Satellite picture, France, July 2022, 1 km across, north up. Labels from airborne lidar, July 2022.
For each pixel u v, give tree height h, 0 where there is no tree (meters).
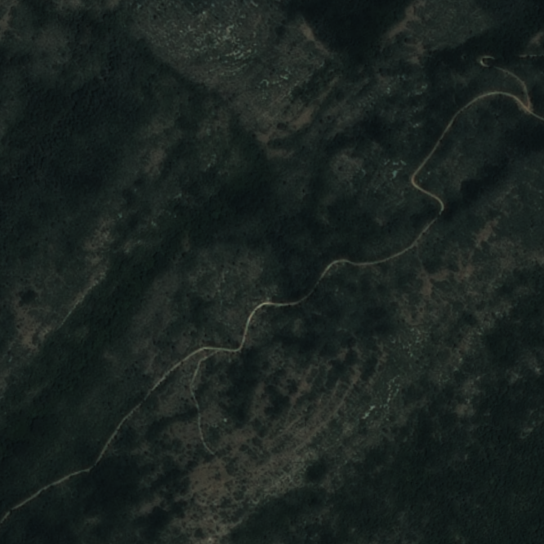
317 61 0
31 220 6
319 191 6
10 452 8
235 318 0
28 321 0
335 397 0
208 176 15
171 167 9
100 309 11
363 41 19
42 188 6
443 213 8
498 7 6
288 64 0
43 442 7
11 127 6
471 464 15
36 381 7
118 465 6
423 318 0
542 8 12
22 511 7
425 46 6
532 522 16
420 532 7
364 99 0
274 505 6
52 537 11
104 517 6
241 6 0
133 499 6
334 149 9
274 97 0
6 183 17
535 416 15
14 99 6
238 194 12
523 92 8
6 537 9
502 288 7
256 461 0
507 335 8
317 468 5
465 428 7
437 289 0
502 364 6
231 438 0
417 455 14
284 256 8
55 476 5
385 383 0
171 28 0
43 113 15
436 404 7
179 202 10
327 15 8
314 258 6
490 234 0
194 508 0
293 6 7
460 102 6
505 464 6
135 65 6
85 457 7
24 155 10
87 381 5
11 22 6
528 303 6
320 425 0
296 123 0
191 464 7
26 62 12
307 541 10
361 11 9
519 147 7
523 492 10
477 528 8
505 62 8
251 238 6
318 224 7
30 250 6
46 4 11
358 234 6
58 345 7
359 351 0
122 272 10
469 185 10
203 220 8
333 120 5
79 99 18
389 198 0
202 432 0
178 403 0
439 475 13
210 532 0
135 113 7
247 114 0
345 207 6
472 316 10
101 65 7
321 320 7
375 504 6
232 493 0
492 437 19
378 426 0
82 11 12
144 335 0
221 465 0
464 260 0
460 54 15
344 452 0
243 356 8
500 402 14
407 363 0
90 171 7
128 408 6
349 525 7
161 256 16
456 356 0
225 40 0
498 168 13
